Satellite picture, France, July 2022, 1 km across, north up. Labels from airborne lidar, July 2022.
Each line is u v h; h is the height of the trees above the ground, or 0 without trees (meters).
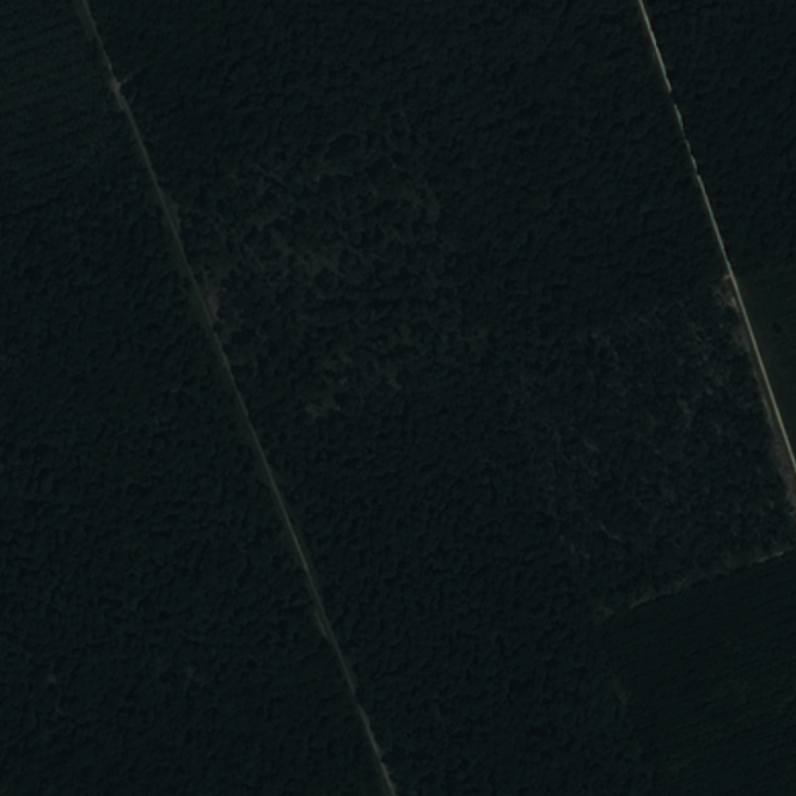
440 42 23
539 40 24
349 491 22
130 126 11
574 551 24
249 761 23
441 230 22
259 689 25
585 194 20
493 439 24
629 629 7
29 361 29
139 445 26
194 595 23
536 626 29
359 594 23
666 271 26
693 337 25
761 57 27
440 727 25
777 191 24
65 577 19
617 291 23
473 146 23
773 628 8
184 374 18
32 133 15
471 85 22
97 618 27
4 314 23
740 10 21
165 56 18
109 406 22
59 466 21
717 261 21
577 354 27
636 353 18
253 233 23
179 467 21
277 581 29
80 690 23
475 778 27
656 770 6
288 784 25
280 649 29
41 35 13
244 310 26
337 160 24
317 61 17
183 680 24
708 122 24
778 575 8
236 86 25
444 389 20
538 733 28
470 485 26
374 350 22
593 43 26
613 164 13
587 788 24
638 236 24
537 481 25
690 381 28
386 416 28
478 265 14
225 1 22
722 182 22
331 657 26
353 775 24
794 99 27
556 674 31
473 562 19
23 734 15
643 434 21
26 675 28
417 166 28
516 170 26
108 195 30
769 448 22
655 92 25
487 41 18
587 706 27
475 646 23
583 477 23
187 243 21
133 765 22
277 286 23
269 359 29
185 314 22
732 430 24
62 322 23
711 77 28
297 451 23
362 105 22
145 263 23
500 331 20
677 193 25
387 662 21
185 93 22
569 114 26
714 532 28
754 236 24
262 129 24
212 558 28
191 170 23
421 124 19
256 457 19
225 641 26
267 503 26
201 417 27
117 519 24
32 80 16
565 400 19
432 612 31
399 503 22
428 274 26
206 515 23
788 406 0
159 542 23
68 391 26
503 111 23
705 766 8
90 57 15
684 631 7
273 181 18
